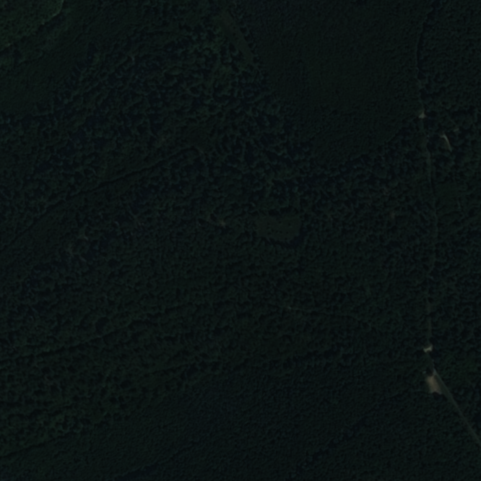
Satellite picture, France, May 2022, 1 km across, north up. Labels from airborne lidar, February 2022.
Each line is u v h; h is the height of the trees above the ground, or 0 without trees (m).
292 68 22
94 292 26
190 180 31
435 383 0
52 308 28
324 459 23
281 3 20
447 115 16
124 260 24
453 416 21
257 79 24
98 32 11
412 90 22
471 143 33
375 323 22
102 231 6
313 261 21
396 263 22
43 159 10
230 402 19
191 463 22
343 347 32
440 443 22
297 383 25
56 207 12
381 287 27
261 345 15
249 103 17
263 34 22
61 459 22
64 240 11
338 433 24
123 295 30
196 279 29
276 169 42
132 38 12
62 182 31
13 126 35
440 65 24
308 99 21
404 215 16
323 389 25
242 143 14
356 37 18
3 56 22
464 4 27
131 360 11
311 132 24
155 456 22
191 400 24
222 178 34
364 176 30
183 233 25
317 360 34
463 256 26
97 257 31
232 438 25
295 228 0
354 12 17
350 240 25
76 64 13
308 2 17
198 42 33
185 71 21
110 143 36
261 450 24
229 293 30
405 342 25
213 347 30
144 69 33
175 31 10
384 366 24
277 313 31
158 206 33
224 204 29
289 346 17
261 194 35
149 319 32
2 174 9
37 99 13
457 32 27
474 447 19
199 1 24
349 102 22
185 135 10
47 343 33
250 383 22
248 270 23
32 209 9
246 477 25
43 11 25
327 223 23
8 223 10
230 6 18
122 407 35
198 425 21
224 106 30
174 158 17
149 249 23
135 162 12
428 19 25
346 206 29
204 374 22
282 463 23
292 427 26
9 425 24
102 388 35
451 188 15
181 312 31
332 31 17
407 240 27
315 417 24
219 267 30
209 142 10
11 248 12
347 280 25
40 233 13
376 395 23
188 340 24
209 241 25
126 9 12
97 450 22
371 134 23
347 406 25
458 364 21
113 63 17
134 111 32
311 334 16
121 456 22
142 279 28
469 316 18
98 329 31
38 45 15
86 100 17
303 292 8
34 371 32
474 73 21
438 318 16
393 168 39
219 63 40
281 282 32
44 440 11
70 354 17
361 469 23
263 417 25
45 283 30
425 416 21
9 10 24
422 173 12
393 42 20
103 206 10
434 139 33
